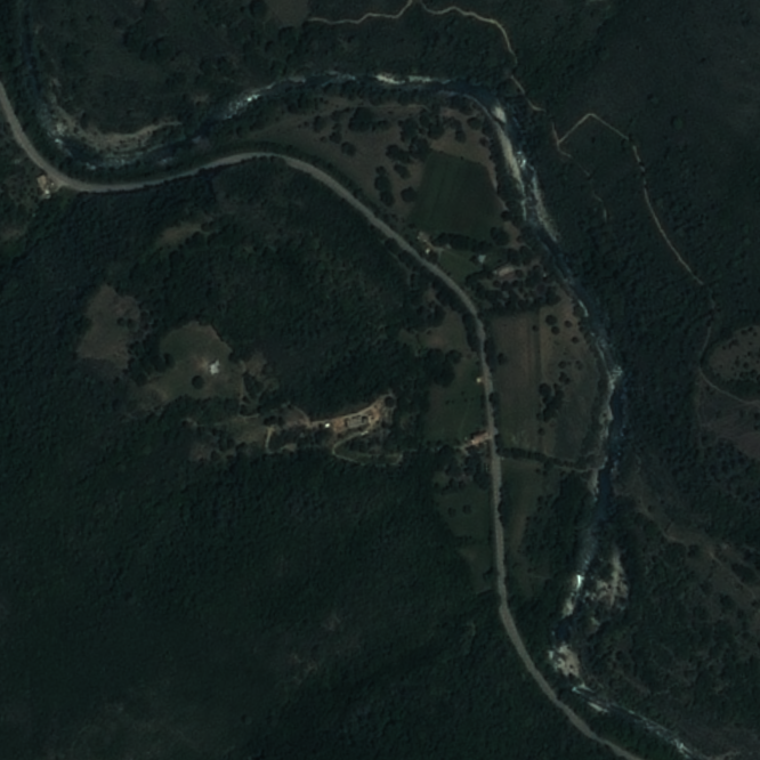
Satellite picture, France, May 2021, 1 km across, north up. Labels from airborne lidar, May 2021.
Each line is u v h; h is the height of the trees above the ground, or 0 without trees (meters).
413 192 10
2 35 14
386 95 14
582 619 19
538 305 11
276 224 8
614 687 16
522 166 0
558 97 12
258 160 12
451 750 14
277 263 10
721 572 0
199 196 12
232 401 12
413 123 12
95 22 8
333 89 12
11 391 9
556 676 29
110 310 0
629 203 5
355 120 11
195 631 6
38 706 6
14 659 6
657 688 12
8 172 6
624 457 8
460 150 0
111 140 0
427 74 9
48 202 11
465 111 11
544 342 0
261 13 19
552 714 11
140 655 6
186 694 6
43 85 13
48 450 9
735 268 6
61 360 9
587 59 17
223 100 13
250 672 6
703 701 8
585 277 15
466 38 12
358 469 18
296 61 11
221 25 8
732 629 12
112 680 5
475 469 10
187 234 0
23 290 12
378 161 0
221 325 8
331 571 20
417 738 16
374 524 21
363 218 13
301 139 0
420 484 8
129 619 7
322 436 15
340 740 23
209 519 16
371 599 6
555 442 0
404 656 13
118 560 15
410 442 15
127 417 9
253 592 8
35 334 10
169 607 12
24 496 9
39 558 7
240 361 10
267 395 9
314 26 13
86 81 8
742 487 12
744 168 7
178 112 7
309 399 7
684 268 6
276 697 8
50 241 9
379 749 15
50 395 7
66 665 8
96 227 9
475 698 12
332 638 8
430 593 12
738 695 11
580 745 16
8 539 6
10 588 9
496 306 7
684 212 9
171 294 13
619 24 6
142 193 6
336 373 18
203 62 7
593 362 0
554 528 10
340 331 6
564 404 9
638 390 8
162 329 15
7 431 15
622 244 8
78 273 8
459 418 0
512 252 10
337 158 0
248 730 5
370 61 8
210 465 10
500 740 14
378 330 9
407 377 10
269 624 12
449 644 11
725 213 14
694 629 6
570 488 18
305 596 15
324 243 9
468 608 12
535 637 16
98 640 7
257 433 0
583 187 9
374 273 8
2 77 13
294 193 6
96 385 7
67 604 8
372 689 17
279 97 8
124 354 0
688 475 15
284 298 11
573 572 17
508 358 10
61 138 0
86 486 14
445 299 12
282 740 29
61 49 5
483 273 9
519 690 14
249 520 14
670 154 9
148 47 15
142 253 8
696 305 11
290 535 8
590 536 0
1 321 10
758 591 0
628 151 10
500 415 10
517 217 11
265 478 18
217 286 12
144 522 12
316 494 12
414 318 14
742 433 0
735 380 7
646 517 13
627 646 0
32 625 8
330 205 7
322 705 30
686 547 9
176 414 14
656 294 9
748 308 8
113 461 14
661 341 10
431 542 14
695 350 13
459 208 0
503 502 9
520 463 0
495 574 13
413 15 8
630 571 19
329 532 9
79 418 8
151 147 8
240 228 10
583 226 16
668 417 7
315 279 9
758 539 20
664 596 8
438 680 7
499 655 9
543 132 14
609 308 7
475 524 0
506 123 0
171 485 6
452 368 13
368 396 13
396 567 10
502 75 10
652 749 9
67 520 9
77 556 8
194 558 14
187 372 0
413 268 7
